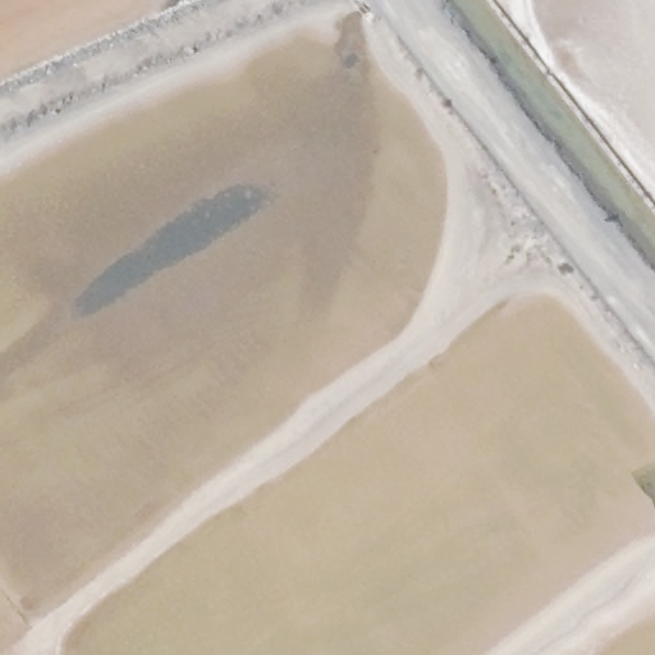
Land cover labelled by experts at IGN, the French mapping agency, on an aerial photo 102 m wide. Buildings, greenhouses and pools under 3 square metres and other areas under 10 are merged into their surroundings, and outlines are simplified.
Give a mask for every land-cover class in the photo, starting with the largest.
<instances>
[{"label":"water","instance_id":"1","mask_svg":"<svg viewBox=\"0 0 655 655\"><path fill-rule=\"evenodd\" d=\"M179 0H0V77L15 74L92 36L115 31L148 10H164L169 5H177ZM443 5L450 10V23L458 26L466 33L468 43L489 61L499 84L512 95L519 113L558 151L568 174L586 189V194L604 212V217L622 230V235L640 253V258L655 271V217L645 210L637 194L612 166V161L588 138V133L578 125L573 113L560 102L555 90L548 84L545 74L525 56L514 38L501 28V23L494 18L484 0H443ZM448 182L443 156L438 146L430 141L414 107L374 72L363 36V20L356 13H348L338 20L335 43L317 41L310 31H299L274 49L258 51L251 61H246V67L233 72L228 79H207L200 84H189L154 105L128 110L97 125L95 130L74 136L56 151H49L41 159L23 164L13 174L0 179V655H3L28 635L33 619L64 604L77 586L92 581L105 568L107 560L120 558L125 550H130L133 542L143 540L156 522H161L174 507H179L187 499V494H192L215 473H220L225 466H230L251 445L261 443L269 432H274L284 420H289L297 412V407L310 394L325 389L348 368L376 353L379 348L389 345L409 325L412 315L422 302L425 287L430 281L440 251ZM655 535V420H650L645 404L627 386L619 368L591 343L578 320L560 302H555L553 297H535L525 302L509 297L499 299L491 310L473 320L440 356H435L427 366L407 374L391 391H386L381 399L371 402L363 412L351 417L315 453H310L304 461L284 471L279 478L261 484L238 504L202 522L194 532H189L184 540H179L156 560H151L130 583L105 596L90 614H84L72 627L61 647L64 655H486L517 627L532 619L537 612H542L555 596L568 591L588 571H594L599 563L609 560L635 540ZM596 655H655V619H645L624 629Z\"/></svg>","mask_w":655,"mask_h":655},{"label":"pervious surface","instance_id":"2","mask_svg":"<svg viewBox=\"0 0 655 655\"><path fill-rule=\"evenodd\" d=\"M348 13H356L363 20V36L374 72L414 107L430 141L438 146L443 156L448 182L440 251L430 281L425 287L422 302L412 315L409 325L389 345L379 348L376 353L348 368L325 389L310 394L297 407V412L289 420H284L274 432H269L261 443L251 445L230 466H225L220 473H215L192 494H187V499L179 507H174L161 522H156L143 540L133 542L130 550H125L120 558L107 560L105 568L92 581L77 586L64 604L33 619L28 635L3 655H64L61 647L72 627L84 614H90L105 596L130 583L151 560H156L179 540H184L189 532H194L202 522L238 504L261 484L279 478L284 471L304 461L310 453H315L351 417L363 412L371 402L381 399L386 391H391L407 374L427 366L435 356H440L473 320L491 310L499 299L509 297L525 302L535 297H553L555 302H560L578 320L591 343L619 368L627 386L645 404L650 420H655V271L640 258V253L622 235V230L604 217V212L586 194V189L568 174L558 151L519 113L512 95L499 84L489 61L468 43L466 33L458 26L450 23V10L443 5V0H179L177 5H169L164 10H148L115 31L92 36L15 74L0 77V179L13 174L23 164L41 159L49 151H56L74 136L95 130L97 125L128 110L154 105L189 84H200L207 79H228L233 72L246 67V61H251L258 51L274 49L299 31H310L317 41L335 43L338 20ZM494 18L501 23V28L514 38L525 56L545 74L548 84L555 90L560 102L573 113L578 125L588 133V138L612 161V166L637 194L645 210L655 217V0H484ZM645 619H655V535L635 540L609 560L599 563L594 571H588L568 591L555 596L542 612H537L532 619L517 627L486 655H596L624 629Z\"/></svg>","mask_w":655,"mask_h":655}]
</instances>
